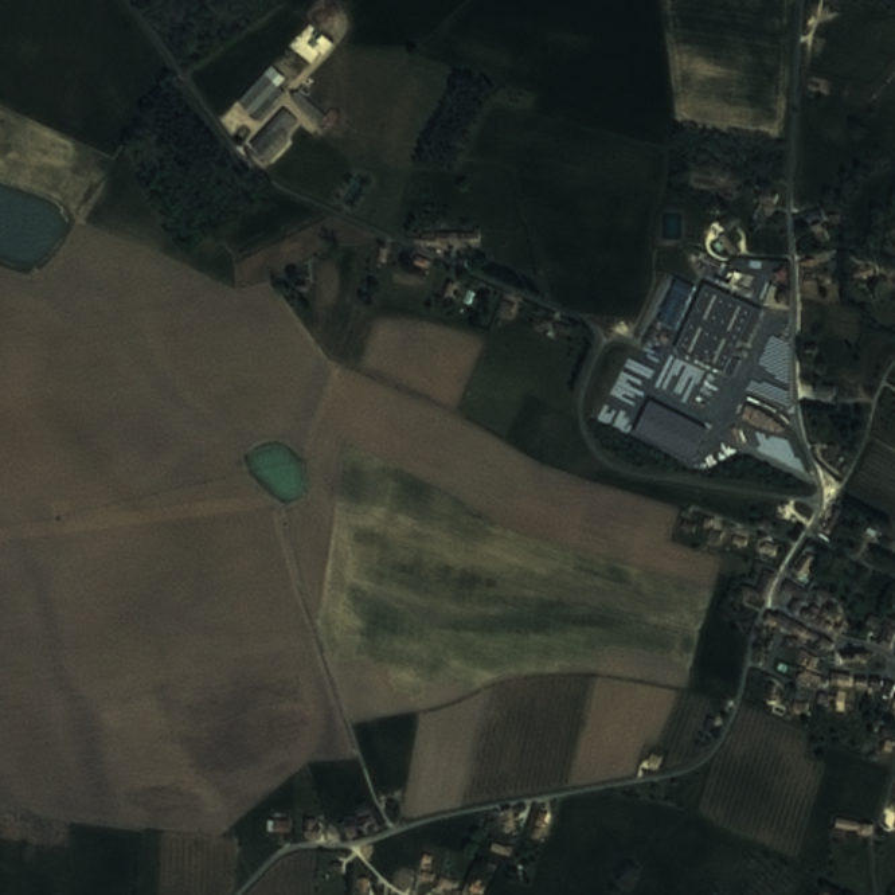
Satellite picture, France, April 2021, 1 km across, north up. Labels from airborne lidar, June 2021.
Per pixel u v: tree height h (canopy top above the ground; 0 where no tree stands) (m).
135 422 0
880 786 0
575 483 0
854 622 13
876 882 0
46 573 0
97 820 0
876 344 0
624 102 0
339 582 0
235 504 0
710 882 0
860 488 0
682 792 0
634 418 0
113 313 0
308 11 0
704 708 0
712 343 0
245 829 0
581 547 0
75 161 0
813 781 0
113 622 0
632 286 0
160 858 0
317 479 0
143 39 0
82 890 0
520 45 0
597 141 0
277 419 0
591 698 0
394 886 0
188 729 0
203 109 0
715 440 0
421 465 0
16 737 0
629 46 0
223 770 0
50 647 0
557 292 0
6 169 0
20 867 0
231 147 0
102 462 0
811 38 0
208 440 0
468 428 0
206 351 0
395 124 0
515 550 0
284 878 0
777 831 0
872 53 0
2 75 0
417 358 0
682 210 0
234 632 0
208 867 0
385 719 0
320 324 0
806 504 0
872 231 10
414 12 0
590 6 0
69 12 0
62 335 0
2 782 0
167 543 0
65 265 0
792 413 0
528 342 0
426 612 0
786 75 0
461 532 0
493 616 0
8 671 0
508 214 0
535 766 0
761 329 0
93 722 0
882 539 9
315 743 0
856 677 0
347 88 0
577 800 0
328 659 0
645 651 0
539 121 0
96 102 0
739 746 0
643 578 0
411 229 11
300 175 0
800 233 11
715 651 0
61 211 0
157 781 0
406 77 0
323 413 0
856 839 12
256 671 0
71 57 0
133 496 0
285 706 0
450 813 0
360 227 0
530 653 0
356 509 0
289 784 0
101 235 0
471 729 0
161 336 0
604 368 0
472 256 12
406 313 0
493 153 0
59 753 0
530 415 0
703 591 0
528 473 0
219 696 0
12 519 0
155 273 0
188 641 0
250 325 0
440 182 0
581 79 0
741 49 0
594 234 0
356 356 0
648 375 0
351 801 0
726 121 0
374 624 0
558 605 0
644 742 0
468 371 0
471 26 0
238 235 0
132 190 0
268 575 0
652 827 0
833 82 0
